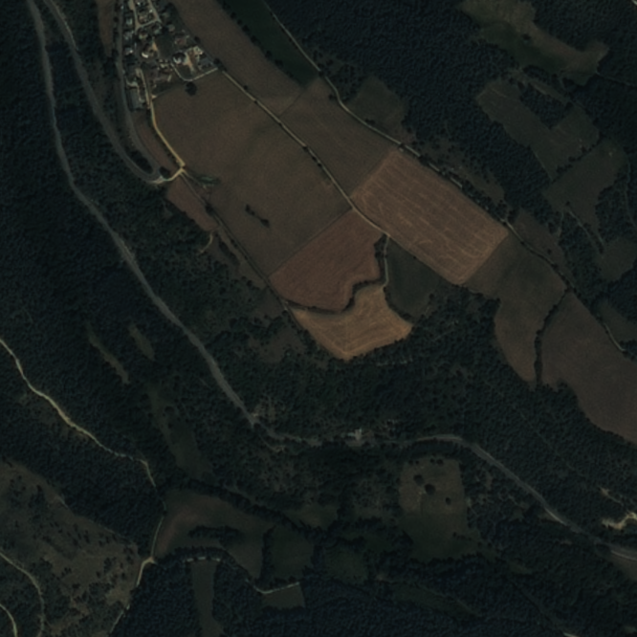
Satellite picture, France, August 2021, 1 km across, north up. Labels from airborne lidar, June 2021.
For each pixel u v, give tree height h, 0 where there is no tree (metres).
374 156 0
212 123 0
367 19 18
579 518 11
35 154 19
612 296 12
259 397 7
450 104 11
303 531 7
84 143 8
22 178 21
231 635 16
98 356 23
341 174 0
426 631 19
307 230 0
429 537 0
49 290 23
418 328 6
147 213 8
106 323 18
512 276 0
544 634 16
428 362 15
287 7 18
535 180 14
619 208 11
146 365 17
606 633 19
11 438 15
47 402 7
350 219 0
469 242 0
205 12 0
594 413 0
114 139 0
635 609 10
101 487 19
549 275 0
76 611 8
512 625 15
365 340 0
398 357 12
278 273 0
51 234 18
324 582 17
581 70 0
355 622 21
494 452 7
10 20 13
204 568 0
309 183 0
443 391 8
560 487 9
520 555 13
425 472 0
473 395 10
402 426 10
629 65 9
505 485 12
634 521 0
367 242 0
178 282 7
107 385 23
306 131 0
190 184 0
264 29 0
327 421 6
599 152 0
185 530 0
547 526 11
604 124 15
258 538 0
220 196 0
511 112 0
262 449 9
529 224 0
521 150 16
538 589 19
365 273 0
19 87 16
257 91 0
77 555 0
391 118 0
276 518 20
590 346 0
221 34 0
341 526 14
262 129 0
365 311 0
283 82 0
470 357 10
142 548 10
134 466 12
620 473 7
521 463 12
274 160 0
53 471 25
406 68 16
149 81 0
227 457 10
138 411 15
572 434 10
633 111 16
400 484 8
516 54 0
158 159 0
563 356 0
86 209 10
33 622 7
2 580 10
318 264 0
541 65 0
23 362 9
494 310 10
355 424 9
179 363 12
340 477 8
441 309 8
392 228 0
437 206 0
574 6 8
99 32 8
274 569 16
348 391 15
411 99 9
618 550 0
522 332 0
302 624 15
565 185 0
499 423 9
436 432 12
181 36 0
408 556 10
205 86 0
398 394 21
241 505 27
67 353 13
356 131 0
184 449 0
